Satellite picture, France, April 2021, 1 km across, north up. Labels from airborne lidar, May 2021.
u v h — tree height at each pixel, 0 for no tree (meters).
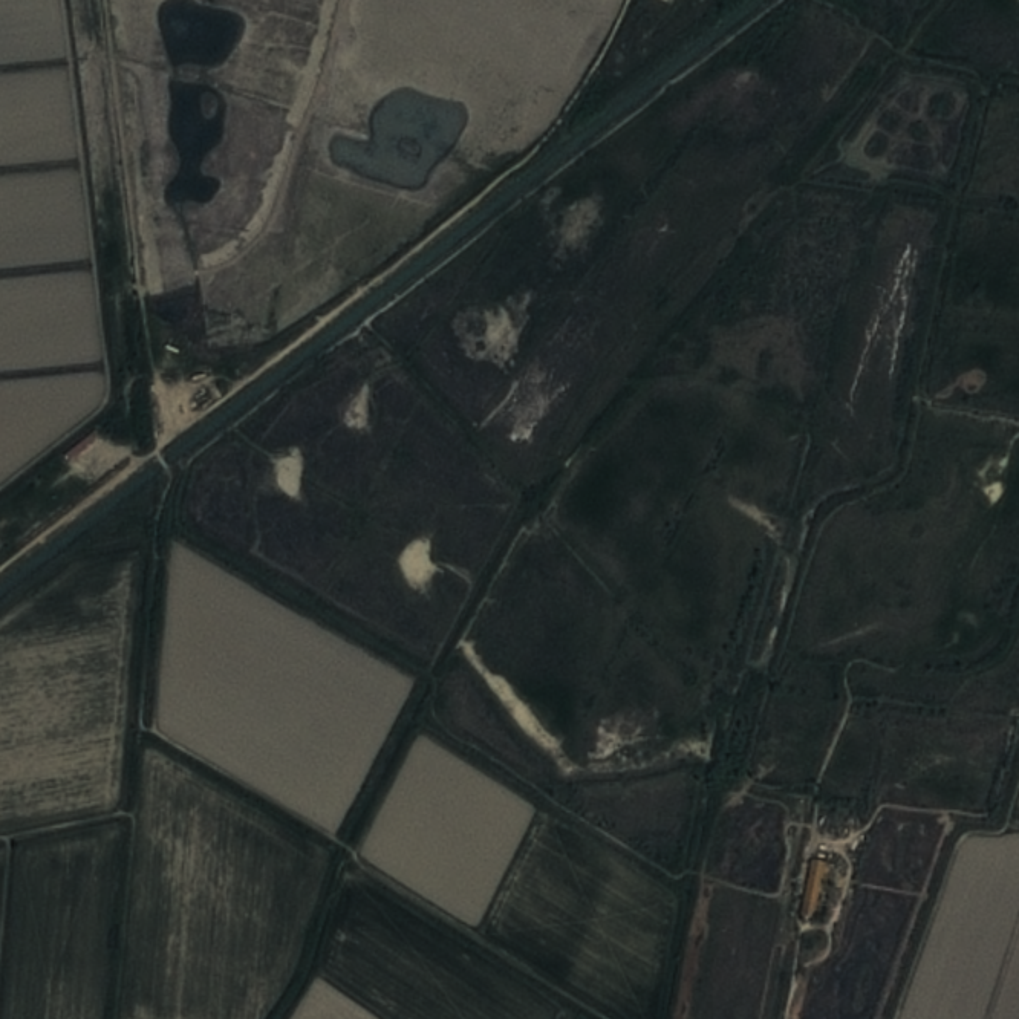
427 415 0
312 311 0
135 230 0
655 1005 0
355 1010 0
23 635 0
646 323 0
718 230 0
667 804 0
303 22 0
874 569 0
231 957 0
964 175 5
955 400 0
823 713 0
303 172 0
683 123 0
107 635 0
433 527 0
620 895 0
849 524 0
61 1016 0
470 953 0
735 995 0
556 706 0
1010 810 0
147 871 0
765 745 0
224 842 0
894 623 0
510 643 0
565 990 0
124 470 0
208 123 0
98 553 0
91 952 0
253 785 0
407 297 0
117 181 0
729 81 0
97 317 0
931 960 0
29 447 0
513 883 0
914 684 0
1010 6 0
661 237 0
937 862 0
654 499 0
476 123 0
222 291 0
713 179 0
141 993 0
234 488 0
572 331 0
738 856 0
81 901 0
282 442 0
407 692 0
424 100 0
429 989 0
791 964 0
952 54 0
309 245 0
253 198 0
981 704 0
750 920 0
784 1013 0
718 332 0
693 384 0
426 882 0
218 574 0
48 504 0
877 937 0
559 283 0
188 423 0
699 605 0
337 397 0
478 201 0
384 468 0
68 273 0
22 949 0
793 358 0
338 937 0
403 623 0
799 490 0
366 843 0
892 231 0
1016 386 0
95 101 0
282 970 0
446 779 0
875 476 0
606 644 0
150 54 0
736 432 0
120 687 0
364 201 0
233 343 0
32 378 0
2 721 0
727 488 0
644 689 0
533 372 0
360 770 0
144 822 0
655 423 0
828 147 0
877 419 0
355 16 0
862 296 0
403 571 0
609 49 0
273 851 0
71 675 0
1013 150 0
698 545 0
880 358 0
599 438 0
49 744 0
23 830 0
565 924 0
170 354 0
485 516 0
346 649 0
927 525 0
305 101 0
